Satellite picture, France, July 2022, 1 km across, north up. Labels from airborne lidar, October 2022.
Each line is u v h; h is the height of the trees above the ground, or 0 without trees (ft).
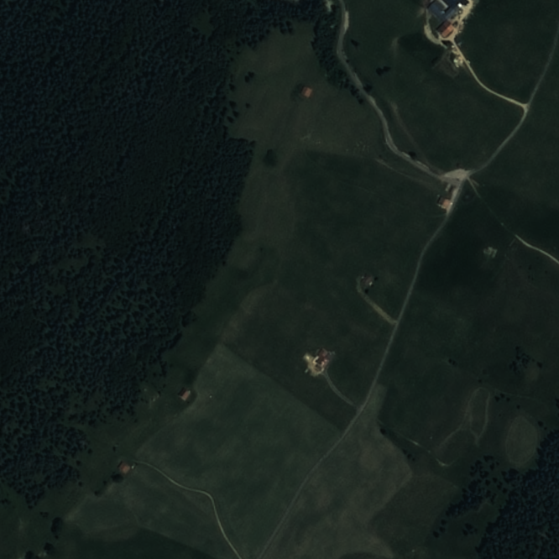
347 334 0
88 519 0
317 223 0
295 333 0
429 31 0
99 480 0
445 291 0
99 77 64
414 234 0
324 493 0
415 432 0
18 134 81
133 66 63
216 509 0
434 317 0
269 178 0
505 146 0
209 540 0
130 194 63
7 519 0
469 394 0
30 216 55
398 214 0
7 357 67
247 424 0
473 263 0
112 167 92
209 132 56
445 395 0
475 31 0
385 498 0
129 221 74
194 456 0
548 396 0
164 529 0
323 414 0
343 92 0
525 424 0
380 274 0
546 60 0
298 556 0
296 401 0
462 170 0
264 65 0
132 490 0
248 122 0
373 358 0
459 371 0
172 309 83
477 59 0
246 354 0
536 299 0
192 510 0
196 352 0
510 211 0
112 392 64
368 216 0
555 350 0
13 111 68
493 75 0
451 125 0
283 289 0
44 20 64
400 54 0
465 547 0
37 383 51
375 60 0
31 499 59
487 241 0
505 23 0
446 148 0
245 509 0
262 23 68
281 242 0
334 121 0
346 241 0
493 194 0
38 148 45
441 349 0
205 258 80
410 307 0
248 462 0
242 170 51
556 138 0
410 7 0
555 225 0
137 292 74
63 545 0
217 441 0
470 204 0
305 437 0
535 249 0
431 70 0
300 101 0
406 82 0
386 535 0
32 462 70
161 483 0
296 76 0
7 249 46
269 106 0
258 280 0
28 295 63
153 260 83
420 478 0
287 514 0
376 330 0
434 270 0
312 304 0
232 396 0
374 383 0
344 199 0
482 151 0
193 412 0
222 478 0
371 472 0
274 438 0
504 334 0
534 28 0
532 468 0
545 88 0
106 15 61
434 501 0
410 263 0
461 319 0
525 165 0
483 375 0
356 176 0
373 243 0
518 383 0
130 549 0
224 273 0
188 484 0
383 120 0
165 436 0
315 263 0
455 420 0
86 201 100
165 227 78
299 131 0
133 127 66
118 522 0
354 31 0
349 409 0
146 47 94
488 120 0
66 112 77
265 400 0
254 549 0
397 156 0
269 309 0
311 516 0
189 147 56
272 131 0
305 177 0
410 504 0
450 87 0
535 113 0
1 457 45
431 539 0
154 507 0
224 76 65
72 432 39
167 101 73
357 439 0
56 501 0
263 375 0
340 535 0
